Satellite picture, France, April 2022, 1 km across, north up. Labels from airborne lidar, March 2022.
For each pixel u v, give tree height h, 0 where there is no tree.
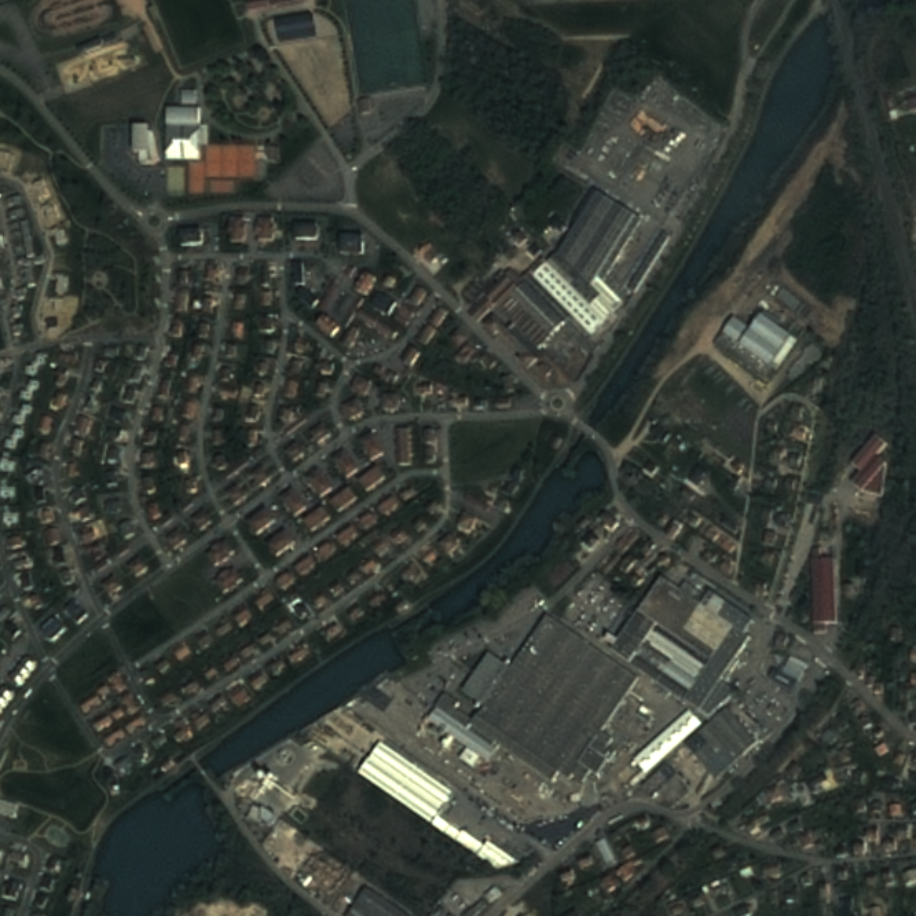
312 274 0
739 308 0
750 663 0
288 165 0
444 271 0
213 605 0
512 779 0
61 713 0
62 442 0
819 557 0
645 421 0
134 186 0
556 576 0
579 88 0
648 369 15
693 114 0
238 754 0
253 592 0
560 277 0
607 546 0
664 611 0
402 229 0
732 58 0
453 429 0
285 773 0
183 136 0
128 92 0
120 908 0
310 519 0
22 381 0
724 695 0
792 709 0
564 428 0
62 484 0
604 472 0
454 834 0
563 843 0
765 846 0
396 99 0
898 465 9
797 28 0
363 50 0
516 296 0
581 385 0
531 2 0
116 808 0
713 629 0
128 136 0
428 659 0
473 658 0
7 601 0
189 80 0
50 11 0
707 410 0
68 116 0
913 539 14
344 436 0
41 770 0
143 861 0
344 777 0
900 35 0
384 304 0
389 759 0
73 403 0
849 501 0
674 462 0
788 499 0
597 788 0
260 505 0
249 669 0
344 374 0
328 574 0
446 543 0
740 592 0
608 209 0
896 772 0
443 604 0
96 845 0
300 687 0
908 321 14
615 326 0
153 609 0
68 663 0
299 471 0
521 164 0
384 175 0
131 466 0
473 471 0
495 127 16
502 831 0
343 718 0
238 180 0
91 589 0
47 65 0
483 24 0
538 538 0
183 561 0
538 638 0
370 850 0
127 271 0
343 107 0
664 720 0
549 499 0
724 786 0
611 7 0
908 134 0
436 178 14
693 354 0
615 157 0
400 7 0
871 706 0
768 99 0
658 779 0
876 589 12
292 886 0
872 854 0
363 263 0
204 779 0
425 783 0
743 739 0
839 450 12
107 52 0
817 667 0
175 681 0
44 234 0
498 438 0
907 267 0
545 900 0
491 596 19
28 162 0
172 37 0
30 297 0
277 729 0
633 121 0
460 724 0
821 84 0
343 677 0
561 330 0
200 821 0
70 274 0
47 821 0
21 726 0
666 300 0
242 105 0
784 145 0
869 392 14
